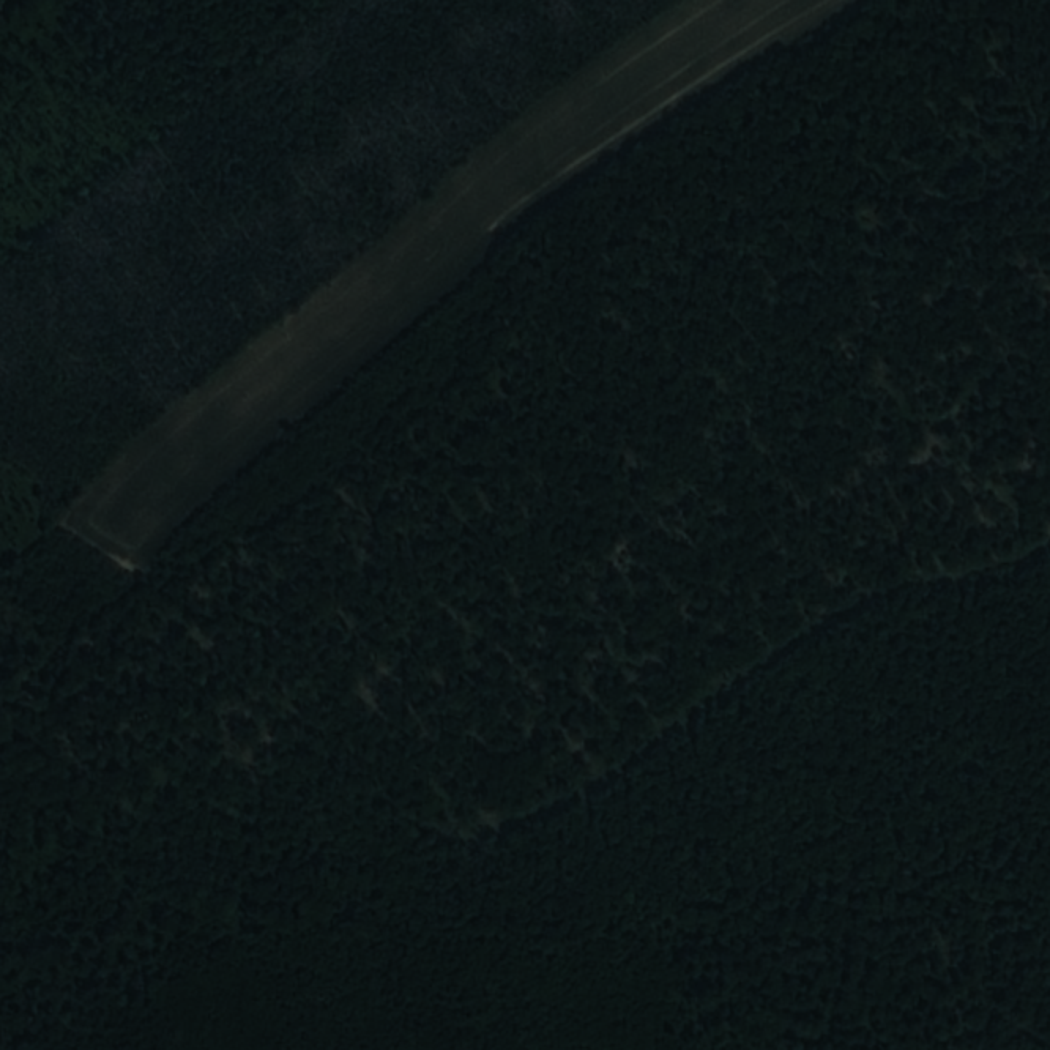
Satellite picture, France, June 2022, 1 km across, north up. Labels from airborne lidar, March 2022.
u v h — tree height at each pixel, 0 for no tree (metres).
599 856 23
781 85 26
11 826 24
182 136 22
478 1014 14
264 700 0
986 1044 18
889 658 23
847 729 20
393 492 0
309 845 19
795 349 23
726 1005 21
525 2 15
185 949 8
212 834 20
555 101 0
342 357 0
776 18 0
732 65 0
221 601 27
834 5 0
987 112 21
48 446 18
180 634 29
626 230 24
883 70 22
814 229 23
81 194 21
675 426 20
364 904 20
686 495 0
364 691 0
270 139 22
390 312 0
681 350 23
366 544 0
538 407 22
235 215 16
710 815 27
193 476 0
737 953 28
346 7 18
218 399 0
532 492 26
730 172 23
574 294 24
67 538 12
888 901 28
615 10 15
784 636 20
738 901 22
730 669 19
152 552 0
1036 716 23
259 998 13
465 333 14
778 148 26
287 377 0
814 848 24
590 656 0
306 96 17
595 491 23
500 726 19
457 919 21
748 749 18
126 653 28
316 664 24
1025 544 20
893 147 26
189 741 27
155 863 24
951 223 22
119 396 18
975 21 21
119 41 24
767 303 25
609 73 0
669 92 0
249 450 0
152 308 15
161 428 0
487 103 17
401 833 26
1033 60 25
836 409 19
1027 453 0
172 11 22
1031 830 22
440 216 0
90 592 17
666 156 22
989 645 22
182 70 22
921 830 24
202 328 21
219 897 24
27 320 17
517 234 18
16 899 20
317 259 18
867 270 22
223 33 23
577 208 21
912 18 24
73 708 27
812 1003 22
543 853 24
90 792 25
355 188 17
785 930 24
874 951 26
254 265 20
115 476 0
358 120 21
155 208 18
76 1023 19
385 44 21
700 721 17
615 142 0
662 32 0
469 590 26
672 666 23
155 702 28
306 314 0
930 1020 24
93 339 14
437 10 18
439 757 19
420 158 17
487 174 0
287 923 23
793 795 19
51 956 23
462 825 19
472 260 0
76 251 18
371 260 0
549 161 0
